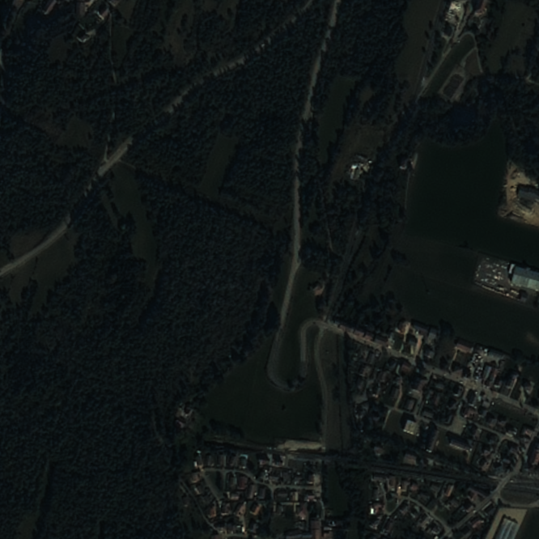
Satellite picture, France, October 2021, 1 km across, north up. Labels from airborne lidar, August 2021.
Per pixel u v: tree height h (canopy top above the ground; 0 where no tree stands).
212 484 0
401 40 19
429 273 0
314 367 0
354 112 23
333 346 0
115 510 25
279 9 10
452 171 0
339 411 0
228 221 19
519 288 0
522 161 17
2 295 11
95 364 21
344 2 14
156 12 18
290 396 0
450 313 0
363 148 0
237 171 19
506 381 7
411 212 0
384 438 16
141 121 14
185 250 24
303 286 0
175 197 17
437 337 9
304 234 0
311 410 0
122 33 0
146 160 12
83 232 14
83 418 21
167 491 10
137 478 17
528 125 14
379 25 22
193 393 25
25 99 13
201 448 12
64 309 15
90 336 6
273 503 11
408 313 0
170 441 22
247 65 9
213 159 0
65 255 0
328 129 0
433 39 0
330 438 0
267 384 0
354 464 6
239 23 13
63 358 14
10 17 24
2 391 21
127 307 20
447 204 0
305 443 0
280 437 0
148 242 0
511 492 0
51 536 20
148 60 14
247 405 0
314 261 25
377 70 27
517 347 0
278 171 19
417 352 0
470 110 0
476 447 0
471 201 0
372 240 0
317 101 20
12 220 16
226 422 0
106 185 6
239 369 0
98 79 11
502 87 20
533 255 0
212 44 11
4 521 22
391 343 0
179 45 0
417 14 0
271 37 0
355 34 19
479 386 0
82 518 17
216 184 0
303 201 14
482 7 0
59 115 10
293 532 0
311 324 0
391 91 23
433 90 0
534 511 0
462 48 0
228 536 0
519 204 0
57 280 0
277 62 14
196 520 0
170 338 21
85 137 0
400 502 0
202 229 20
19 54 16
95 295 6
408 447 11
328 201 14
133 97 18
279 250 15
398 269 0
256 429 0
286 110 15
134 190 0
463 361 0
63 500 14
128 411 13
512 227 0
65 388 14
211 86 17
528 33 0
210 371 13
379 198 22
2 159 12
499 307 0
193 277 15
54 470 18
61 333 13
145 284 7
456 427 0
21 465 16
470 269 0
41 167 18
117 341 20
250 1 15
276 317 31
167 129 17
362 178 8
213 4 0
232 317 14
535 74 8
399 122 0
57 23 7
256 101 20
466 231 0
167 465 24
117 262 15
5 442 15
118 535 20
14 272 0
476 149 0
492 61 0
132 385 19
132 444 8
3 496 25
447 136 11
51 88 17
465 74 0
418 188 0
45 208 12
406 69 0
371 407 13
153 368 16
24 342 7
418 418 0
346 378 11
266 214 14
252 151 21
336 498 0
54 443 24
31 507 20
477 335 0
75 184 13
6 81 14
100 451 18
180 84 17
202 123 16
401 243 0
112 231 19
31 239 0
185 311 15
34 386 16
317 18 16
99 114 10
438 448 0
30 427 15
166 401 8
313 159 17
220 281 18
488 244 0
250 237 16
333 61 14
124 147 0
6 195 16
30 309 8
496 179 0
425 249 0
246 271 14
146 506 18
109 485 24
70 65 7
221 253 24
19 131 13
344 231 17
